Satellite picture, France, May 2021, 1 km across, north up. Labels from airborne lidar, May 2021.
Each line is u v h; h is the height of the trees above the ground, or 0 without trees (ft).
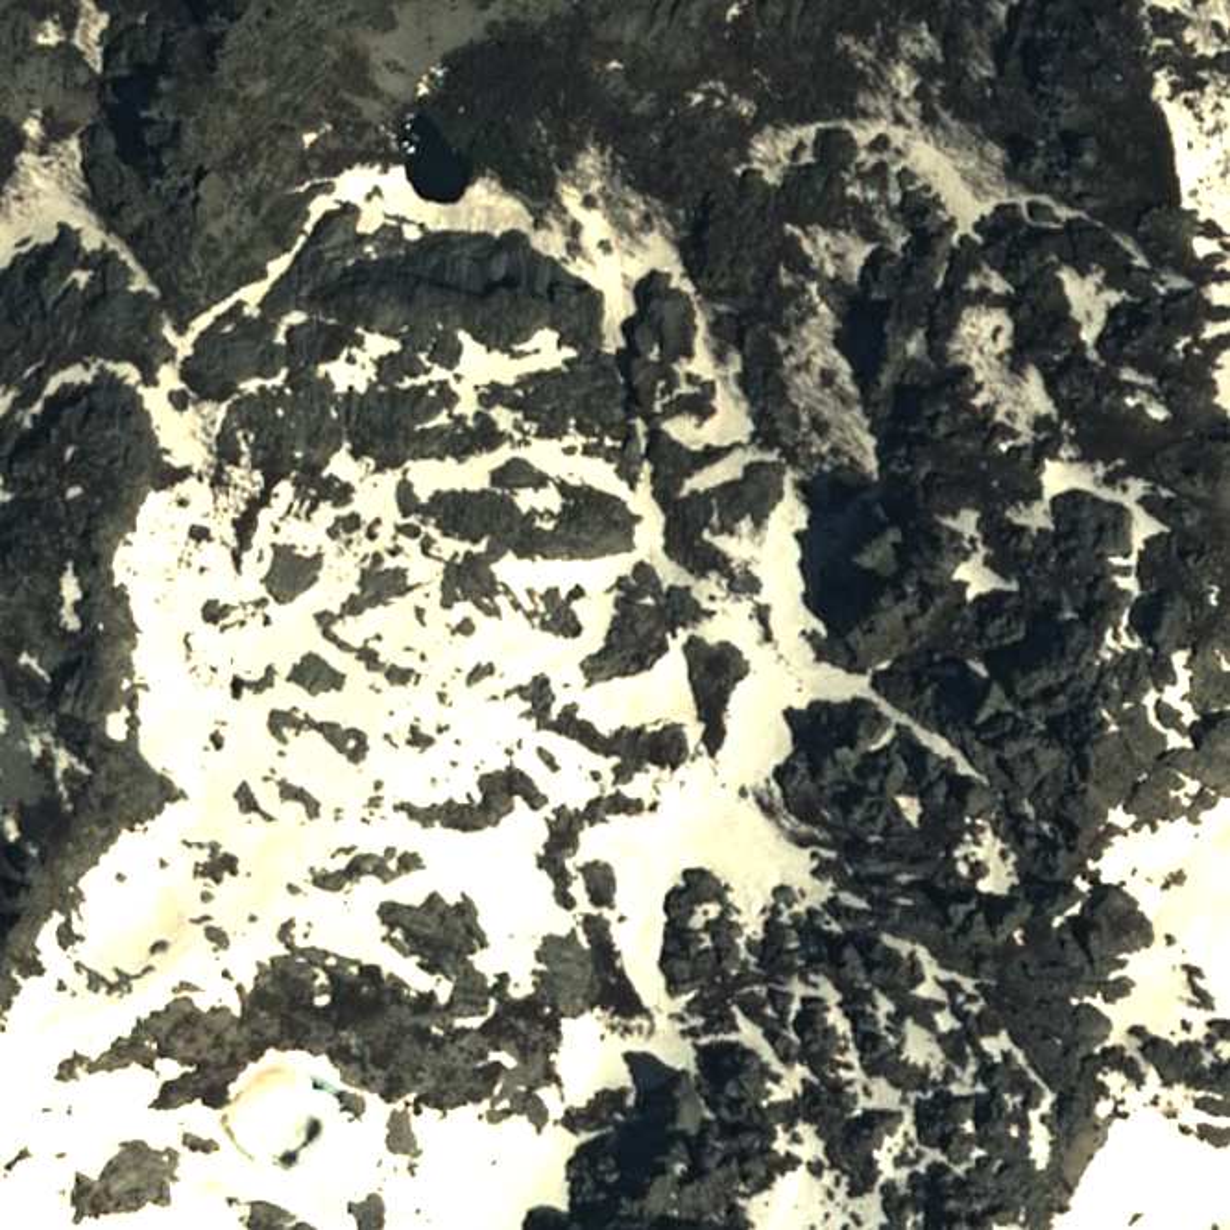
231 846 0
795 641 0
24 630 0
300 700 0
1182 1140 0
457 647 0
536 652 0
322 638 0
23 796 0
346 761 0
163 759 0
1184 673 0
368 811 0
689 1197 0
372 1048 0
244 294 0
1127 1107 0
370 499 0
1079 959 0
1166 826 0
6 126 30
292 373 0
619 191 29
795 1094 0
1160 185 0
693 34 0
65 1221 0
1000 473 0
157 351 0
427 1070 0
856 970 0
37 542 0
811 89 30
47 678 0
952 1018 0
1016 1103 0
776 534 0
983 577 0
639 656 0
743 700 0
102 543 0
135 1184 0
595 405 0
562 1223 0
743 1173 0
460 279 0
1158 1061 0
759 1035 0
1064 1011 0
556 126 31
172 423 0
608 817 0
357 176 0
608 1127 0
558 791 0
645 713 0
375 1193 0
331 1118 0
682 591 0
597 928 0
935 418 0
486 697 0
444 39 0
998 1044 0
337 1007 0
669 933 0
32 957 0
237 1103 0
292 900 0
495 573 0
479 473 0
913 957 0
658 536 0
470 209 0
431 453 0
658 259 0
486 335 0
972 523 0
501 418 0
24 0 0
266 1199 0
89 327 0
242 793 0
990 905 0
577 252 0
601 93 28
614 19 0
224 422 0
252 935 0
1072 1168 0
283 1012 0
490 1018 0
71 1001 0
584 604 0
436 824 0
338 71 0
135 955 0
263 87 0
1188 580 0
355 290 0
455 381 0
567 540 0
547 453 0
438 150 0
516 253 0
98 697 0
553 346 0
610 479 0
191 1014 0
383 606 0
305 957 0
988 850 0
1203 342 0
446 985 0
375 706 0
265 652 0
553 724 0
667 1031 0
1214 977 0
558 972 0
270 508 0
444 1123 0
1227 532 0
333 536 0
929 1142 0
